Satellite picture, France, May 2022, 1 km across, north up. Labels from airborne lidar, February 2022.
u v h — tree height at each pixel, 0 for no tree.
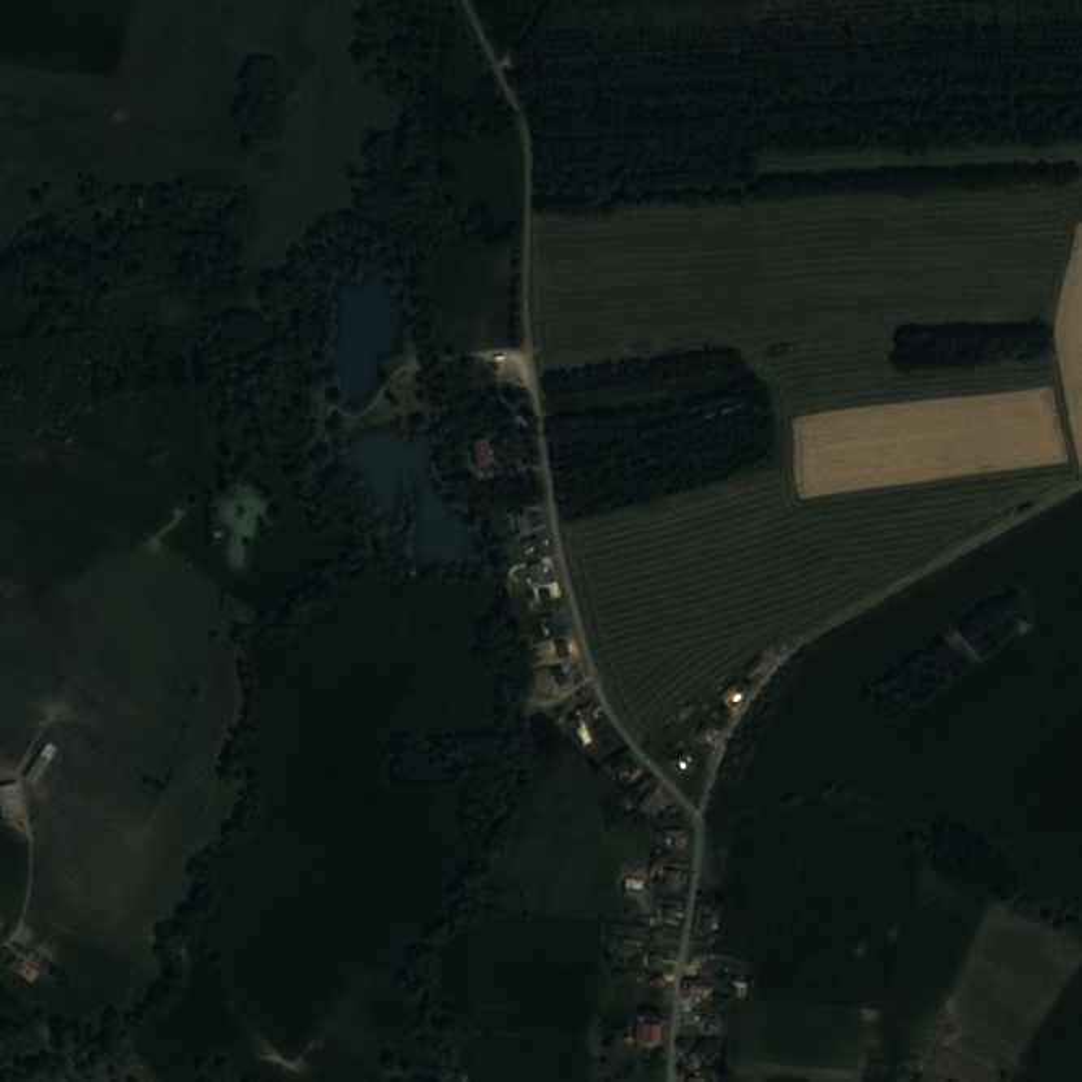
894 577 0
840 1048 0
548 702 0
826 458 0
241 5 0
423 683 0
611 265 0
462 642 0
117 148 0
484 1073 0
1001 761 0
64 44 0
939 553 0
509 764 18
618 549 0
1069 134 13
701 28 0
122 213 11
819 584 0
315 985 0
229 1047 0
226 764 15
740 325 0
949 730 0
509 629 20
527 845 0
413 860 0
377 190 22
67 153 0
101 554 0
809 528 0
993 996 0
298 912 0
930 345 21
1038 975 0
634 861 0
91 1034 9
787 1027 0
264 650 0
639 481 13
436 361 15
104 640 0
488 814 19
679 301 0
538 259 0
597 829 0
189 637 0
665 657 0
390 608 0
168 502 0
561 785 0
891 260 0
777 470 0
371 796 0
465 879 17
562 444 14
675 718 0
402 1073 12
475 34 0
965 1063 0
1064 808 0
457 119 17
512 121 17
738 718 0
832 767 0
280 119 19
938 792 0
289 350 19
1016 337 20
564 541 0
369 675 0
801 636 0
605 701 0
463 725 0
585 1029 0
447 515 0
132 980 0
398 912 0
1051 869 0
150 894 0
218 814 0
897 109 17
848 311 0
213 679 0
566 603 0
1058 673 0
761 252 0
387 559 16
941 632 0
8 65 0
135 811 0
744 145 16
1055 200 0
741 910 0
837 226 0
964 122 20
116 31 0
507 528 0
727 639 0
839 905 0
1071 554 0
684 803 0
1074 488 0
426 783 25
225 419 14
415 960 20
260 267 0
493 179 0
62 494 0
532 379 0
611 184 20
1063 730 0
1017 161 0
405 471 0
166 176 0
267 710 0
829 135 17
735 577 0
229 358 16
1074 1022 0
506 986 0
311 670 0
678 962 0
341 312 0
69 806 0
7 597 0
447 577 14
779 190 20
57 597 0
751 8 0
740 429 14
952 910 0
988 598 0
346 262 22
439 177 24
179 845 0
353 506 17
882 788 0
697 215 0
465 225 19
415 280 23
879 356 0
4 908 0
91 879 0
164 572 0
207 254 6
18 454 0
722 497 0
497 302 0
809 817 0
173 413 0
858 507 0
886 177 16
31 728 0
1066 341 0
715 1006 6
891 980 0
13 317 20
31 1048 0
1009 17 0
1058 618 0
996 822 0
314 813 0
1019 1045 0
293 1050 0
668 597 0
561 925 0
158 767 0
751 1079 0
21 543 0
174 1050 0
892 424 0
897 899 0
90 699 0
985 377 0
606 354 0
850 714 0
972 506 0
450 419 19
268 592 0
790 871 0
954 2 0
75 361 0
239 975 0
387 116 0
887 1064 0
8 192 0
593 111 19
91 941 0
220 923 0
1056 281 0
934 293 0
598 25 0
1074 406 0
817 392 0
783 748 0
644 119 20
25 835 0
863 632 0
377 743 0
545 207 21
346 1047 0
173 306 0
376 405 0
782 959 0
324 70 0
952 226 0
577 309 0
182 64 0
